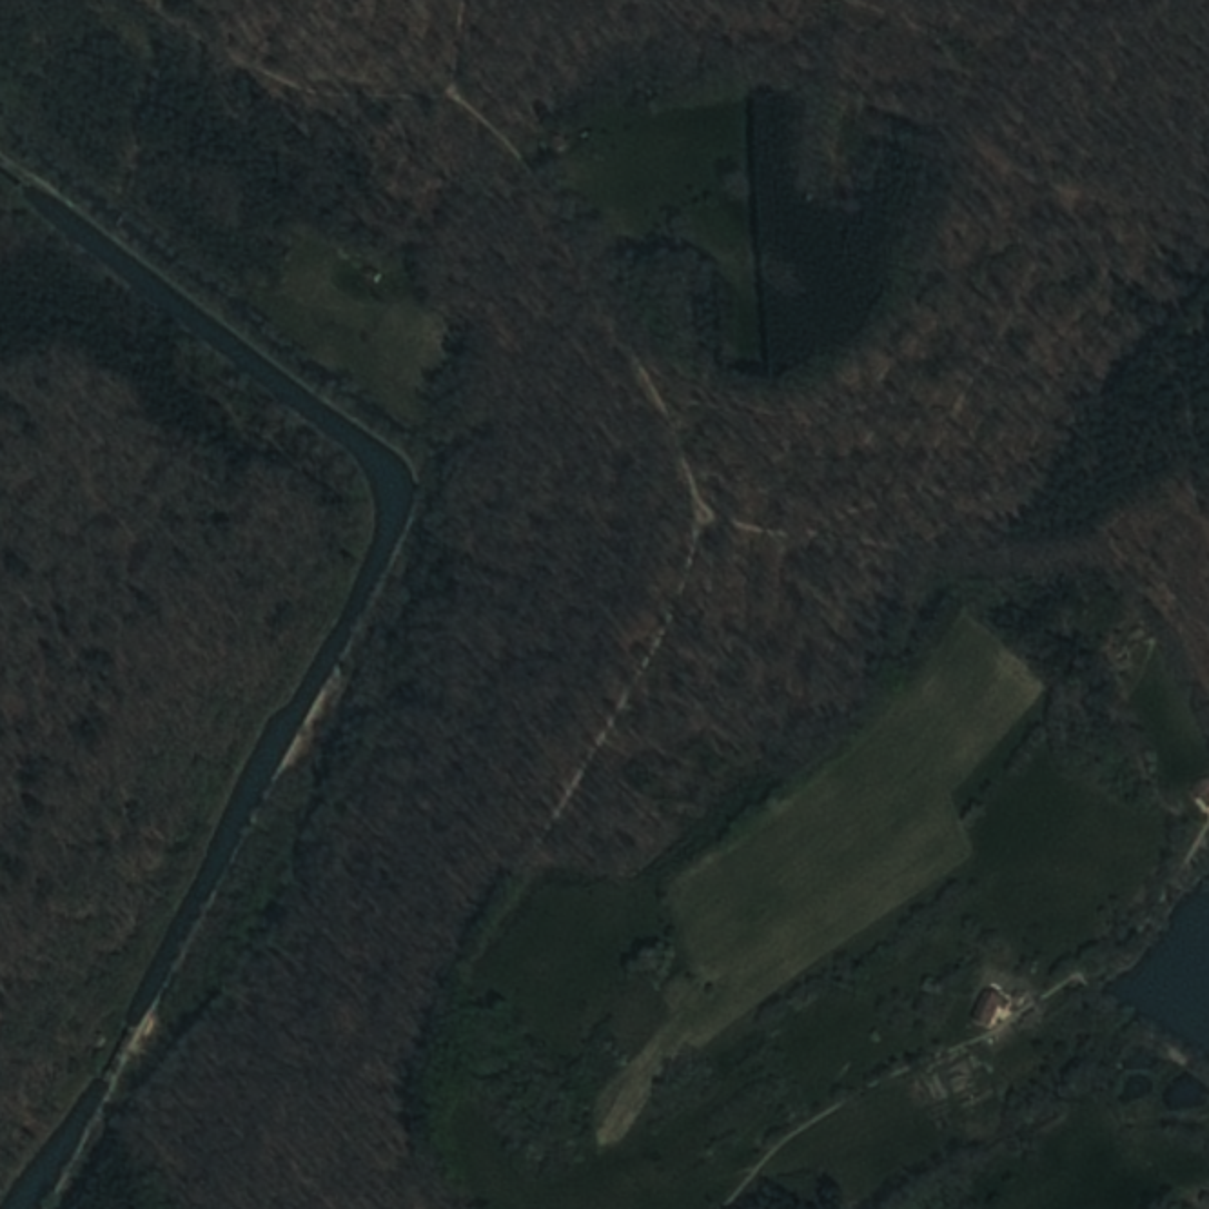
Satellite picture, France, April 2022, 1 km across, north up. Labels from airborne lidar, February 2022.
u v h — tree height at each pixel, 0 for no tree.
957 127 34
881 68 32
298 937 31
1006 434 36
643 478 29
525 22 32
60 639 27
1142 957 18
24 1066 28
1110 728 32
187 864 21
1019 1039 0
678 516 20
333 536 22
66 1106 17
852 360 27
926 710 0
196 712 28
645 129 0
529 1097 26
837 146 30
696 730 31
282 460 17
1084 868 0
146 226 22
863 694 33
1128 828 0
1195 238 31
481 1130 0
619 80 31
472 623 29
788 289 22
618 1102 0
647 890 0
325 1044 26
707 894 0
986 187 31
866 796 0
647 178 0
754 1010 0
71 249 23
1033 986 0
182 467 26
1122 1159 0
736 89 29
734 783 7
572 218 30
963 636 0
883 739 0
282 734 0
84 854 25
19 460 27
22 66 24
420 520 10
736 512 32
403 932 32
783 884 0
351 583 15
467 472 30
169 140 29
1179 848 17
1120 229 31
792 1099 7
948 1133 0
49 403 26
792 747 33
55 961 20
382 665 26
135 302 18
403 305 0
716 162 0
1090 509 25
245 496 28
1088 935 0
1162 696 0
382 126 38
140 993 0
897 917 0
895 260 23
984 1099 0
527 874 27
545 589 19
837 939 0
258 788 0
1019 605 18
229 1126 0
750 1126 0
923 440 34
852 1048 0
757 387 25
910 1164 0
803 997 17
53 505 27
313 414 0
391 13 28
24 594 32
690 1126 0
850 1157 0
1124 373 13
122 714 25
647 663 0
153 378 20
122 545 27
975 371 32
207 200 25
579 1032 0
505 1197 0
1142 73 29
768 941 0
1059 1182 0
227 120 20
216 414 18
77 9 24
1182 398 27
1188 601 29
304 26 33
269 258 30
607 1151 0
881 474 31
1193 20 31
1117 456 26
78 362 25
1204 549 16
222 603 26
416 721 28
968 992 10
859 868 0
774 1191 19
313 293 0
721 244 0
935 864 0
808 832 0
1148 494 27
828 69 29
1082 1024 0
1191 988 0
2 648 24
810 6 16
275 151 28
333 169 29
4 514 27
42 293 15
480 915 29
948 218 30
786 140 25
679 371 35
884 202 28
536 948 0
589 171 0
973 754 0
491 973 0
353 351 0
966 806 0
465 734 32
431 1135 32
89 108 26
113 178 26
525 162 0
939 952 0
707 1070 15
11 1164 29
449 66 28
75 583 27
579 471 28
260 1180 0
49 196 0
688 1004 0
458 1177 21
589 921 0
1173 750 0
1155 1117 0
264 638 25
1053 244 28
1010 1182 6
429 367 0
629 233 0
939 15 31
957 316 32
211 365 15
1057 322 32
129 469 27
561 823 31
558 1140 17
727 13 31
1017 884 0
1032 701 0
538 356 27
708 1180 0
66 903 29
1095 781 14
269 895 16
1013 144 32
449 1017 30
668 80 33
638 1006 0
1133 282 31
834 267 23
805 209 20
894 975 0
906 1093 0
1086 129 34
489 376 29
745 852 0
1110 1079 22
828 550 29
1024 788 0
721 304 28
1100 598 26
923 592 31
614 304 30
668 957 22
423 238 36
